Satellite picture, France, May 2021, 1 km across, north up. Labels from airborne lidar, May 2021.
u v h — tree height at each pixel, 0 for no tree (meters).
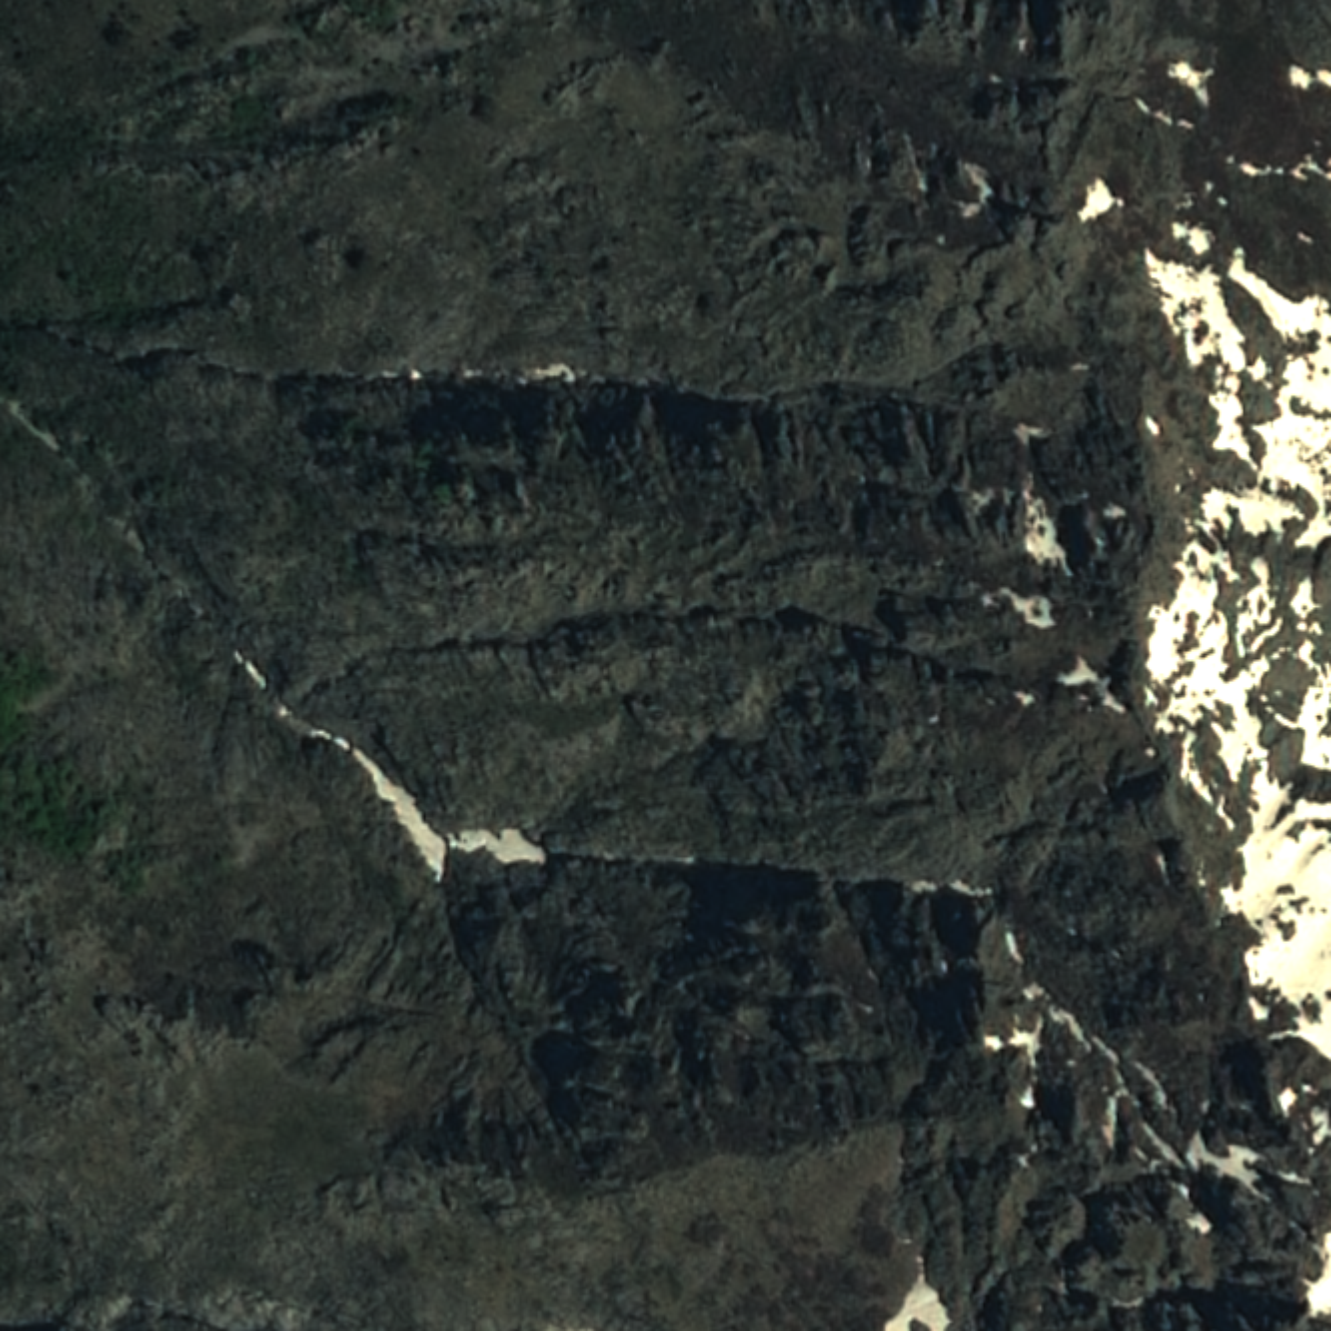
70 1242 12
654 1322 0
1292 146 7
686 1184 0
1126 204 0
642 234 0
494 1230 13
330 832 7
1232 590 0
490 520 9
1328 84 0
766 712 0
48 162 7
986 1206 0
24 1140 0
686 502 9
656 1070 7
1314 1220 0
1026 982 0
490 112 20
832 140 6
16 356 9
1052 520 0
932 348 0
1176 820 0
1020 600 0
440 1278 0
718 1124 10
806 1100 9
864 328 0
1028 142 0
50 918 0
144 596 10
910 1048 0
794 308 0
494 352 9
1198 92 0
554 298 7
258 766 0
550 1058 0
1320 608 0
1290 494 7
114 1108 0
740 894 0
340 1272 0
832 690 0
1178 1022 0
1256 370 0
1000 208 5
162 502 10
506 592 7
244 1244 0
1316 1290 0
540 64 0
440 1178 7
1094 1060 0
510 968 0
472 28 16
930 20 0
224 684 10
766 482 8
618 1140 7
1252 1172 0
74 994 0
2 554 9
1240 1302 0
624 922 10
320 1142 0
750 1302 6
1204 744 0
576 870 0
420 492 7
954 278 0
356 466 10
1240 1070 0
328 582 7
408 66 10
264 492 10
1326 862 0
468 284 0
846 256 0
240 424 7
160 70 13
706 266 0
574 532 0
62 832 12
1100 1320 0
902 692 0
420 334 0
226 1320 0
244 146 8
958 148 6
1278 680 0
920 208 7
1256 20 0
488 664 0
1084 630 0
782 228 0
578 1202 0
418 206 0
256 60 7
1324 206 0
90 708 0
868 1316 6
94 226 10
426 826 0
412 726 0
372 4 8
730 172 0
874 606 0
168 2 0
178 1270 0
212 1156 0
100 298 7
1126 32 0
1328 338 0
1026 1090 0
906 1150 0
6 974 0
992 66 6
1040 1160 0
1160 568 0
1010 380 0
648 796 0
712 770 7
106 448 8
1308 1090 0
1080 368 0
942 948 7
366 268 32
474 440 10
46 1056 0
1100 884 0
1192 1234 0
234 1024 9
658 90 0
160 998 7
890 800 0
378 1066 0
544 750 7
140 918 9
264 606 6
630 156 0
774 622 13
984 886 0
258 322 10
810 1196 0
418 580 8
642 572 0
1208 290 0
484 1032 0
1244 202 0
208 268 26
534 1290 0
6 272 8
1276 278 0
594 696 10
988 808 0
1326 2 0
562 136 0
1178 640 0
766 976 8
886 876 0
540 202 0
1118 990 0
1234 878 0
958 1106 0
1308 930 0
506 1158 10
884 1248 10
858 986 6
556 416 8
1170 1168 0
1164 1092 0
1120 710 0
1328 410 0
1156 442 0
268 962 8
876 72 8
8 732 21
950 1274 0
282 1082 0
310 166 6
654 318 19
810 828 0
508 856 0
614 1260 0
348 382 10
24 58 10
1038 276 0
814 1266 12
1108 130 0
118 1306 0
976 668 0
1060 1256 0
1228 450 0
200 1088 0
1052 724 0
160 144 10
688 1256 0
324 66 11
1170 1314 0
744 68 6
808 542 0
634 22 8
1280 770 0
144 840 9
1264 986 0
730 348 0
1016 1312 0
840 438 0
